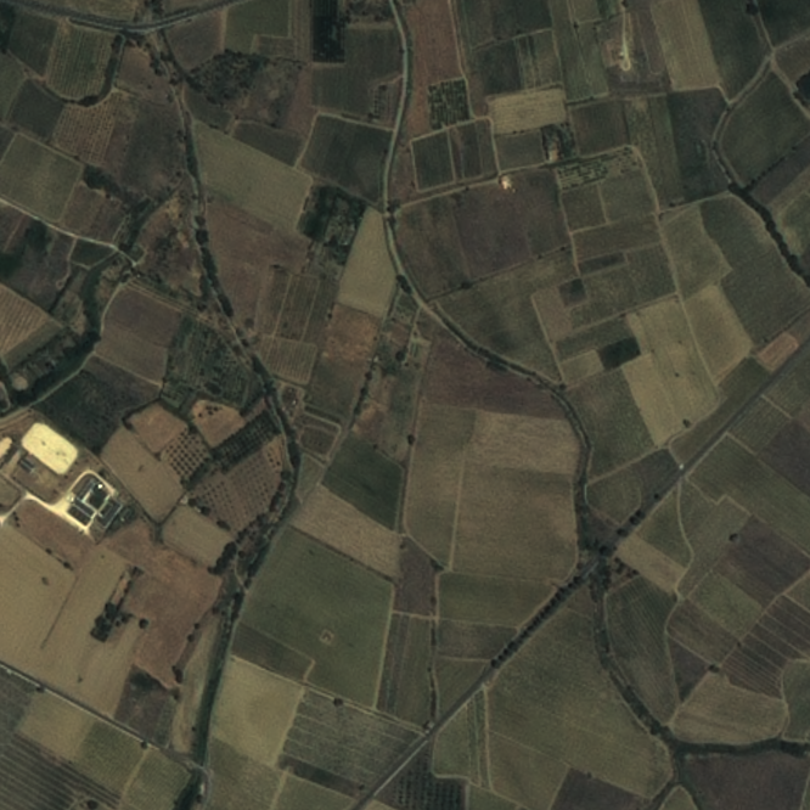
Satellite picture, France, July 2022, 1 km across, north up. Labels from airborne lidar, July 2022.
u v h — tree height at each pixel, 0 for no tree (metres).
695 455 0
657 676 0
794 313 0
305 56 0
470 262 0
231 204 0
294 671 0
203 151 0
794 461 0
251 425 7
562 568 0
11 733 0
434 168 0
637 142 0
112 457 0
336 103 0
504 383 0
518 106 0
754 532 0
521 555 0
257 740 0
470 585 0
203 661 0
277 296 0
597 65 0
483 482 0
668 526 0
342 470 0
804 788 0
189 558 0
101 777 0
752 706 0
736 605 0
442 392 0
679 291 0
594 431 0
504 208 0
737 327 0
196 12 0
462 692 0
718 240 0
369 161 0
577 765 0
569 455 0
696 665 0
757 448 0
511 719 0
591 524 0
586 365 0
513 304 0
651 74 0
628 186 0
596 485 0
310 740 0
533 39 0
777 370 0
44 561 0
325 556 0
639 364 0
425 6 0
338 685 0
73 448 0
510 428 0
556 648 0
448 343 0
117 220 0
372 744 0
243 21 0
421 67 0
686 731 0
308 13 0
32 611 0
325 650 0
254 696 0
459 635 0
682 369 0
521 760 0
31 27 0
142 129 0
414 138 0
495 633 0
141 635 0
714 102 0
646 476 0
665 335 0
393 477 0
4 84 0
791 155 0
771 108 0
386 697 0
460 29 0
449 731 0
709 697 0
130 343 0
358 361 0
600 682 0
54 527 0
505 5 0
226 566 6
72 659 0
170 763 0
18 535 0
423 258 0
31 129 0
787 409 0
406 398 0
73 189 0
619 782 0
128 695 0
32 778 0
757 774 0
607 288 0
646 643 0
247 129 0
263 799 0
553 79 0
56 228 0
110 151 0
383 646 0
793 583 0
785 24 0
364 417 0
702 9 0
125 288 0
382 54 0
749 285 0
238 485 0
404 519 0
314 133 0
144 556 0
